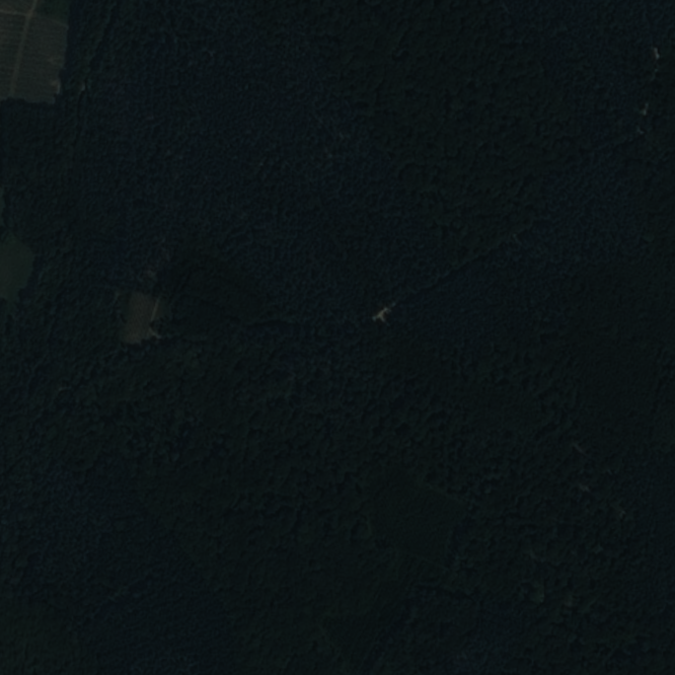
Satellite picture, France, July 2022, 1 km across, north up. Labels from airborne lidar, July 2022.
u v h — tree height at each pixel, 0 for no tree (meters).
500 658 26
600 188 33
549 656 25
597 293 19
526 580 14
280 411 28
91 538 28
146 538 15
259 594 26
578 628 13
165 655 35
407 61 25
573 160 29
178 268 15
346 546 25
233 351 28
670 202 23
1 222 0
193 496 19
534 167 23
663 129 19
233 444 28
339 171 28
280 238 36
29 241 17
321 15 23
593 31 28
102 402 9
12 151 23
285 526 28
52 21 0
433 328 23
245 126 28
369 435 22
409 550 6
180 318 20
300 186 23
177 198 29
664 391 16
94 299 20
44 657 23
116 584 22
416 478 26
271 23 26
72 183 21
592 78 9
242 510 27
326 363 21
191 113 32
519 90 25
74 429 23
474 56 23
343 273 30
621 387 15
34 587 16
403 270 29
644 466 19
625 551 22
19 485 23
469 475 20
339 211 29
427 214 28
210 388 26
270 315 12
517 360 26
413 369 18
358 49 29
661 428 23
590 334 17
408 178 26
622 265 16
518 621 19
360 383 25
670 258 18
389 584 6
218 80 29
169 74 34
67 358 21
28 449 23
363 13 26
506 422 17
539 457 23
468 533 19
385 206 34
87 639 16
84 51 23
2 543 27
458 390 17
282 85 27
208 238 23
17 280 0
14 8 0
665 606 11
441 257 28
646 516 20
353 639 5
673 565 19
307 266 36
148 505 23
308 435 25
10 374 20
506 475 18
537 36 24
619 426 17
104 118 15
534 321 22
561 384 23
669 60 9
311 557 25
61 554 31
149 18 25
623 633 18
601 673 27
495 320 23
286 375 25
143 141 33
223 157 27
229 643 25
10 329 21
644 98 23
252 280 14
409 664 18
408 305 25
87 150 16
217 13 31
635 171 33
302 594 24
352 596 29
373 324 22
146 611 24
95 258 16
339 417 23
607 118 19
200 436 27
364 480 19
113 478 20
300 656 25
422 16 19
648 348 17
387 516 6
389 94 26
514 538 17
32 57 0
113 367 19
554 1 30
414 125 24
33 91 0
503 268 26
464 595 20
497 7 26
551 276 24
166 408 25
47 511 27
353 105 39
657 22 28
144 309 0
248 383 26
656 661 30
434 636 26
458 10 26
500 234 24
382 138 26
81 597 18
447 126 25
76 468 16
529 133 27
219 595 23
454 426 24
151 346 22
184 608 24
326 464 24
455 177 21
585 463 19
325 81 32
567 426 21
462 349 19
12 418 30
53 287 14
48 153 21
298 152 36
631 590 17
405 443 22
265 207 23
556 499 18
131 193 34
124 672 22
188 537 25
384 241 27
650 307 18
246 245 35
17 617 25
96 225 15
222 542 25
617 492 18
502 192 18
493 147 22
